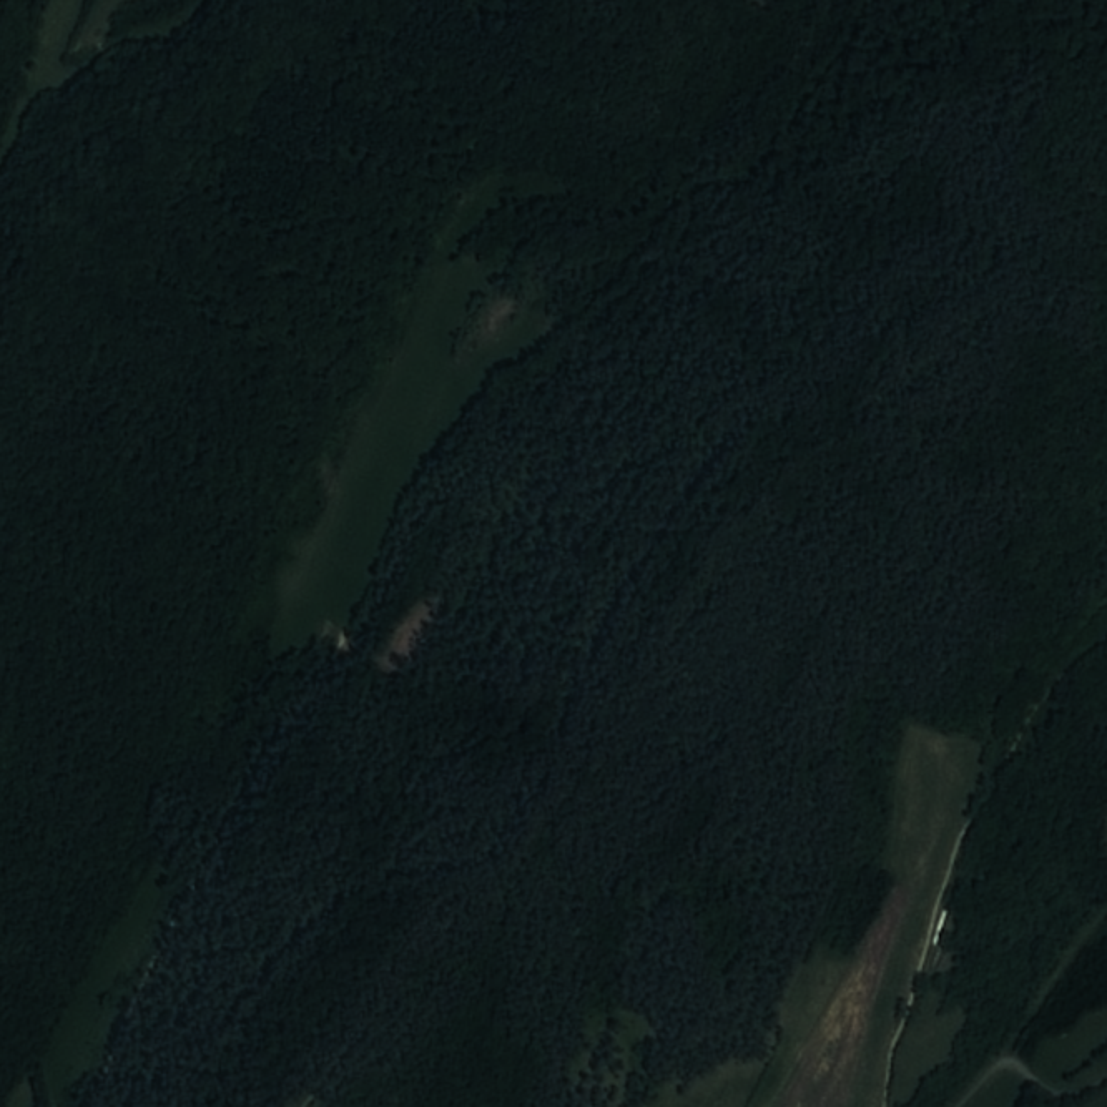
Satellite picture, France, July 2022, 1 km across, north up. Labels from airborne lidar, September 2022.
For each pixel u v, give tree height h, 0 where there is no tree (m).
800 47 13
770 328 26
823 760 14
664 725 24
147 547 18
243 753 10
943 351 22
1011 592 20
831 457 22
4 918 15
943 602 18
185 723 18
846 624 18
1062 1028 7
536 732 24
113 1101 21
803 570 24
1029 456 18
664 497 24
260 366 18
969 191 24
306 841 24
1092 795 20
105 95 22
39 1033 15
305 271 22
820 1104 0
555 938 22
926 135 29
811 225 25
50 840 17
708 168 23
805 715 23
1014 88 23
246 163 12
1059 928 13
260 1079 20
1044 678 14
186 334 18
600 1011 6
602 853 25
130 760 22
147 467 11
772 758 21
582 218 10
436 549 15
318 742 21
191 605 17
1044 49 21
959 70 28
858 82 17
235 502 11
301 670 11
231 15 19
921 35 17
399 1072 16
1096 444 11
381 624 15
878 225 25
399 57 16
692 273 19
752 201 19
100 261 16
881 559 20
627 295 15
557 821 17
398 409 0
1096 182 15
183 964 21
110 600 18
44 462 14
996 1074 0
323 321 17
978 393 15
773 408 23
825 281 21
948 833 0
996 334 24
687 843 23
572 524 18
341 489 0
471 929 25
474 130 19
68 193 18
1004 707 14
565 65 16
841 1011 0
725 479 19
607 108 12
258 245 19
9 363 13
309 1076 21
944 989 10
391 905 27
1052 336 21
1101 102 13
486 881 23
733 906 22
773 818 26
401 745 26
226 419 18
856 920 11
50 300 19
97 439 22
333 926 21
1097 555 9
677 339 20
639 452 22
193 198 18
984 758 9
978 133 22
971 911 6
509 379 21
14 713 14
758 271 24
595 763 22
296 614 0
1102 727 15
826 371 28
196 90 20
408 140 18
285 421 17
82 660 17
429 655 25
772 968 9
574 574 22
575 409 24
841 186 27
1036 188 17
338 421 14
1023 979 6
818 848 24
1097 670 16
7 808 15
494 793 26
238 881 22
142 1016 19
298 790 21
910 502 20
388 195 19
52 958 19
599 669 23
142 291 20
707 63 13
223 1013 18
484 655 19
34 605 13
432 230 19
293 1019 23
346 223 18
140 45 15
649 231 8
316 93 17
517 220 8
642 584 26
